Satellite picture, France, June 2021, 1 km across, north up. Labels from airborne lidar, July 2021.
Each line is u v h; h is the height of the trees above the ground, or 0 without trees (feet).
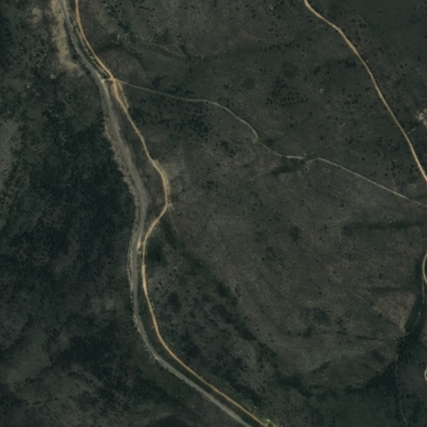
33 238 23
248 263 0
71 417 0
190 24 0
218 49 0
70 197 20
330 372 0
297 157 0
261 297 0
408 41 0
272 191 0
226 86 24
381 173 0
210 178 0
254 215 0
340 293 0
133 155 0
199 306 0
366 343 0
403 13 0
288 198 0
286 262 0
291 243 0
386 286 0
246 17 0
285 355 0
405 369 0
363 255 0
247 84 0
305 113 0
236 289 0
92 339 27
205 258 0
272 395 0
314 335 0
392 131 0
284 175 0
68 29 0
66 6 0
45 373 0
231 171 0
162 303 0
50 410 0
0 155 0
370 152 0
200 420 0
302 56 17
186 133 0
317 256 0
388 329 0
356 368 0
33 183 20
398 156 0
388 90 0
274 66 0
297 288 0
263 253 0
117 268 0
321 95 0
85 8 0
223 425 0
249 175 0
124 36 0
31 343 0
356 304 0
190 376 0
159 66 0
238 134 0
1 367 0
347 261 0
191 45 0
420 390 0
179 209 0
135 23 0
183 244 0
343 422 0
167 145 0
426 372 0
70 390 0
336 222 0
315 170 0
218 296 0
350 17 0
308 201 0
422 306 0
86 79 0
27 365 0
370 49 0
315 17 0
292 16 0
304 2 0
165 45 0
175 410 0
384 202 0
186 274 0
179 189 0
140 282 0
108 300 0
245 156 0
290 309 0
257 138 0
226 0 0
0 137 0
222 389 0
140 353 0
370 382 22
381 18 0
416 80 0
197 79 0
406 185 0
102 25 0
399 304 0
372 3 0
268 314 0
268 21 0
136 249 0
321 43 0
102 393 23
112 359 26
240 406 0
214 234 0
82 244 21
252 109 0
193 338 0
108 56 0
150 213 0
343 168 0
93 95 0
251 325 0
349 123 0
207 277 0
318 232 0
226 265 0
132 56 0
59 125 22
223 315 0
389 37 0
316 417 0
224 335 0
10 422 0
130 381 0
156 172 0
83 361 21
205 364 0
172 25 0
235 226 0
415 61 0
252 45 0
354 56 0
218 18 0
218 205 0
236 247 0
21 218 0
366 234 0
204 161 0
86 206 24
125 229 0
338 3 0
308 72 0
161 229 0
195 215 0
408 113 0
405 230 0
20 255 19
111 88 0
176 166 0
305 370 0
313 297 0
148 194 0
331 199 0
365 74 0
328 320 0
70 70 0
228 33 0
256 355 0
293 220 0
